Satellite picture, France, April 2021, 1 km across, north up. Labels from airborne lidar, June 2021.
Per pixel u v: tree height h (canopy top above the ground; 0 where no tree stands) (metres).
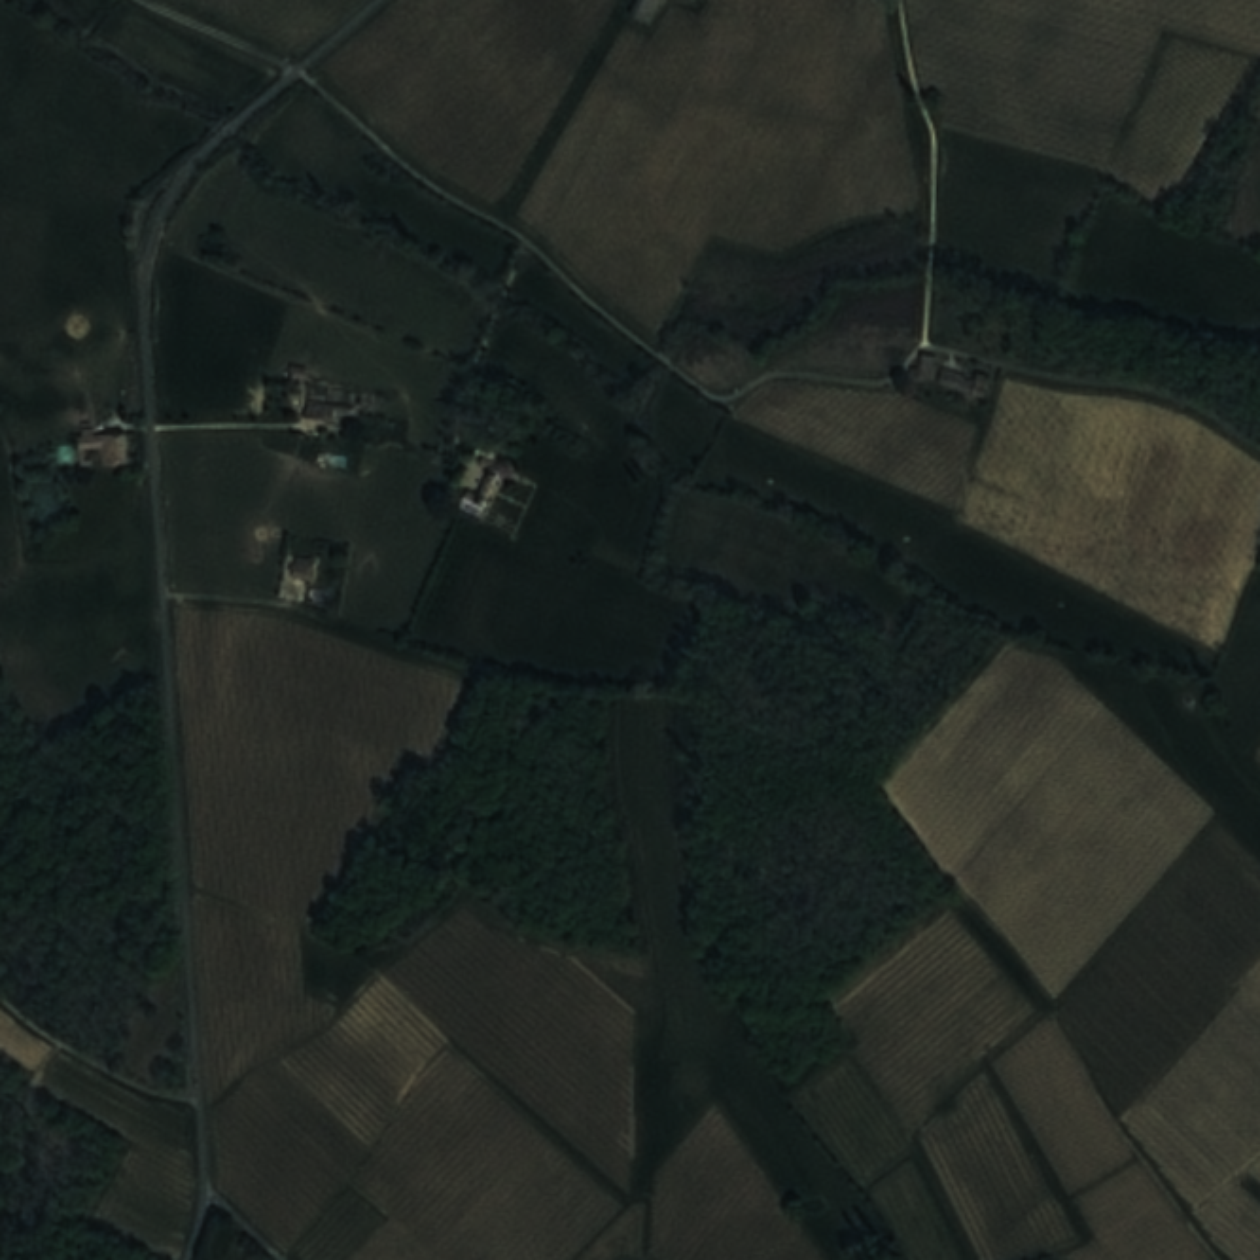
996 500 0
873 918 15
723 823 21
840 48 0
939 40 0
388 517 0
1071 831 0
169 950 21
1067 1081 0
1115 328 25
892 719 15
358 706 0
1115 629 0
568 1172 0
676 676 19
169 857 19
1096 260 0
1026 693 0
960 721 0
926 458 0
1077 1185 0
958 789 0
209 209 0
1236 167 16
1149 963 0
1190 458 0
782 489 0
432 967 0
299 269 0
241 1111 0
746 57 0
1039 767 0
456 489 10
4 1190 26
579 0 0
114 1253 22
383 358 0
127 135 0
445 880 22
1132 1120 0
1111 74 0
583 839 20
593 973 0
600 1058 0
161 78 0
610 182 0
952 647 13
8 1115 16
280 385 8
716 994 22
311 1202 0
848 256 0
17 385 0
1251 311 0
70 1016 17
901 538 0
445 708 0
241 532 0
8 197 0
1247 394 21
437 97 0
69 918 22
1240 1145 0
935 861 13
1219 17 0
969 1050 0
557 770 26
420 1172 0
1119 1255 0
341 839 0
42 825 29
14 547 0
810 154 0
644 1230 0
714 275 0
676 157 0
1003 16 0
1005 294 27
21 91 0
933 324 0
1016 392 0
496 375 7
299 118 0
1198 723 0
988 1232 0
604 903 21
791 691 21
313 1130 0
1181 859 0
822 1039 21
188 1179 0
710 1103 0
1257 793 0
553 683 15
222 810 0
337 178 0
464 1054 0
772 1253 0
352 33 0
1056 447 0
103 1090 0
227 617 0
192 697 0
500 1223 0
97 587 0
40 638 0
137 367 0
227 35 0
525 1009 0
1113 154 0
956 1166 0
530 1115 0
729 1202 0
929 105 13
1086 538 0
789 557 0
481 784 22
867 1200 6
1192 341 19
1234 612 0
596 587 0
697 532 0
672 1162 0
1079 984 0
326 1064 0
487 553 0
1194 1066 0
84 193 0
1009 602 0
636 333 0
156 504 0
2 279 0
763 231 0
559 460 0
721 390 0
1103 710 0
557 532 0
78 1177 15
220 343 0
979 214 0
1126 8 0
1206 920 0
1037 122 0
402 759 0
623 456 0
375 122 0
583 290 0
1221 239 13
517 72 0
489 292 18
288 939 0
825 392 0
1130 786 0
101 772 22
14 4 10
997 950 0
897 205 0
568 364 0
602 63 0
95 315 0
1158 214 11
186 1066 15
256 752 0
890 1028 0
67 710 0
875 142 0
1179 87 0
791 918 19
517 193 0
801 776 16
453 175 0
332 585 9
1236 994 0
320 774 0
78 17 0
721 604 23
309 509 0
